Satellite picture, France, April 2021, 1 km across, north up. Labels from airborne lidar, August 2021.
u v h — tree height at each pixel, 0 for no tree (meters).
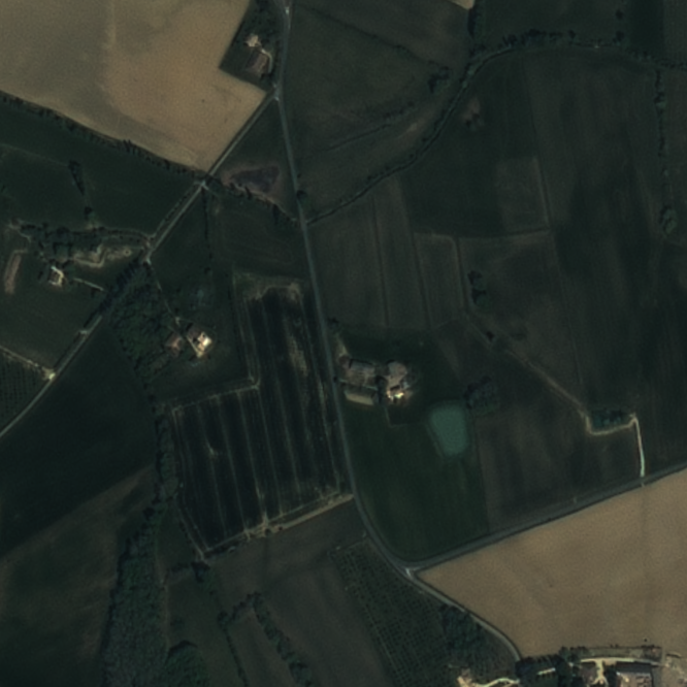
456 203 0
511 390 0
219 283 0
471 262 0
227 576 0
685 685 0
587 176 0
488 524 0
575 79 0
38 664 0
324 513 0
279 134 0
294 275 0
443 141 0
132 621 19
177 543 0
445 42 0
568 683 18
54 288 0
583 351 0
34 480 0
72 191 0
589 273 0
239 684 0
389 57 0
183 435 0
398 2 0
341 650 0
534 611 0
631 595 0
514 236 0
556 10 0
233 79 0
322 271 0
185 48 0
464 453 0
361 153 0
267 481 0
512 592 0
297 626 0
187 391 0
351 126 0
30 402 0
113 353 0
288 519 0
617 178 0
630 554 0
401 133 0
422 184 0
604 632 0
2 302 0
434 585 0
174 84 0
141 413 0
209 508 0
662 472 0
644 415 0
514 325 0
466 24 0
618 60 0
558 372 0
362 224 0
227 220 0
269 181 0
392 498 0
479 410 21
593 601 0
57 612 0
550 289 0
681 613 0
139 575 20
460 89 8
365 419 0
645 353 0
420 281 0
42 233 9
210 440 0
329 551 0
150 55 0
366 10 0
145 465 0
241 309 0
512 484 0
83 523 0
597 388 0
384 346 0
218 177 0
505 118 0
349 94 0
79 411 0
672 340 0
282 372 0
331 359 0
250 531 0
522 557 0
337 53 0
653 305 0
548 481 0
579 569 0
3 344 0
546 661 10
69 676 0
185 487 0
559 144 0
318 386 0
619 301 0
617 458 0
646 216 0
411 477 0
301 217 0
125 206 0
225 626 7
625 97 0
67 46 0
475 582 0
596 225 0
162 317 15
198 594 0
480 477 0
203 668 14
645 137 0
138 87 0
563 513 0
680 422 0
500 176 0
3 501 0
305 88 0
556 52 0
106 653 18
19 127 0
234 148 0
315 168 0
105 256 0
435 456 0
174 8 0
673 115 0
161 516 7
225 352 0
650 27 0
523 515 0
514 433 0
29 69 0
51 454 0
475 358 0
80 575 0
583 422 0
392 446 0
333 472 0
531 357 0
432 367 0
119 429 0
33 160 0
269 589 0
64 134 0
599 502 0
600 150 0
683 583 0
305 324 0
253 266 0
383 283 0
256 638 0
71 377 0
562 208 0
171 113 0
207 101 0
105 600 0
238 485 0
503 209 0
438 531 0
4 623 0
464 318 0
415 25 0
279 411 0
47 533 0
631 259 0
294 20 0
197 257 0
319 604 0
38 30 0
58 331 0
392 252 0
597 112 0
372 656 0
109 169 0
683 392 0
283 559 0
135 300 14
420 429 0
